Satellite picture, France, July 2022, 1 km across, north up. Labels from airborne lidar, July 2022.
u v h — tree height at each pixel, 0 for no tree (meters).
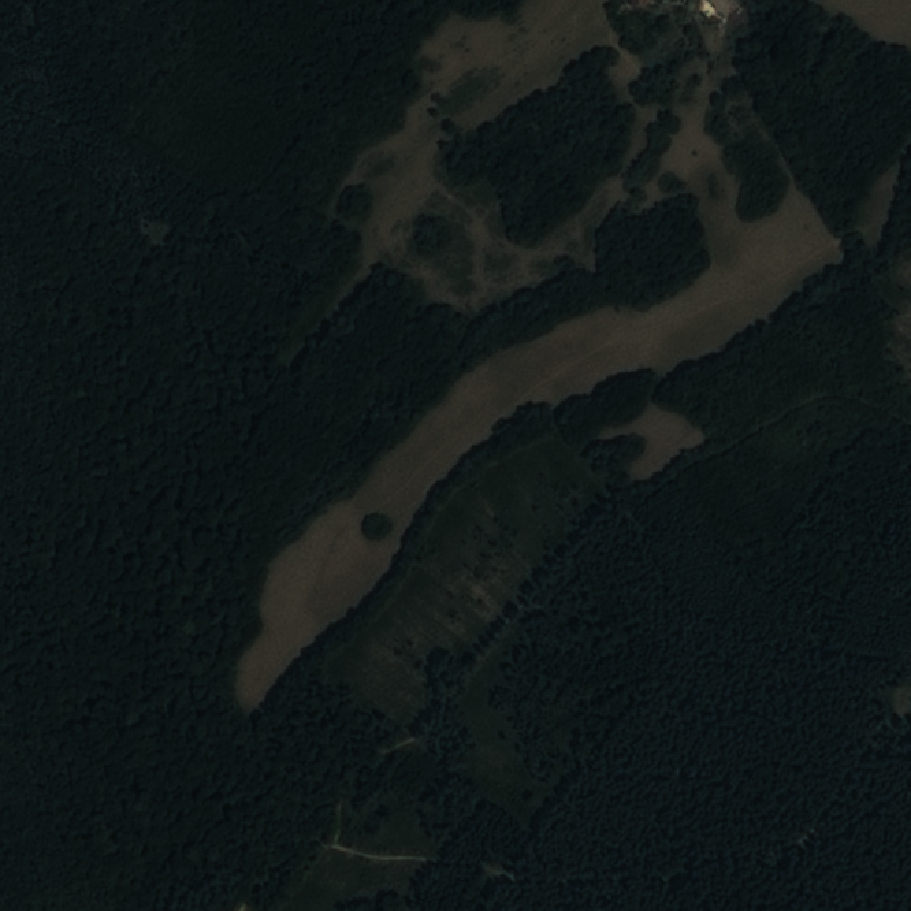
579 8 0
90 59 21
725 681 28
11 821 22
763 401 6
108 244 17
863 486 23
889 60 25
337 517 0
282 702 26
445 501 19
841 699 27
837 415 6
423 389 21
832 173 15
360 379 22
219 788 17
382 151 0
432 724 33
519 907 28
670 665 23
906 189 13
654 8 0
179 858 26
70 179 19
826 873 26
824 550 14
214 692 25
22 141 18
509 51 0
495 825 21
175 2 19
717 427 10
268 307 24
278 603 0
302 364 17
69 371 20
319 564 0
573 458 0
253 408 31
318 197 18
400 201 0
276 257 25
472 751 29
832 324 22
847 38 15
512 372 0
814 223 0
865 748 30
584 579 21
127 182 15
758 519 10
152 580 29
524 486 0
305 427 22
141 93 16
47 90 17
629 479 16
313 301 25
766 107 19
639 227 15
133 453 27
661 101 18
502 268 0
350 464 13
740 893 25
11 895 25
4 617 22
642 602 26
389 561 0
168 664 16
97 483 24
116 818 25
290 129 14
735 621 17
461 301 0
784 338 10
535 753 13
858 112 13
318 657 24
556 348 0
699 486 11
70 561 23
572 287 20
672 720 25
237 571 28
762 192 7
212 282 20
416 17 27
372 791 24
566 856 29
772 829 30
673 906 31
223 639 27
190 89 9
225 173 13
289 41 17
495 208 0
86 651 29
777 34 26
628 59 0
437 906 20
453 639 0
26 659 23
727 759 30
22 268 15
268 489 23
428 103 0
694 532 18
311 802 22
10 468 22
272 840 20
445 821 8
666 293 18
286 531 12
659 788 29
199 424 27
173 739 26
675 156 0
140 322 26
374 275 7
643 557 27
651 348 0
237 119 10
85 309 25
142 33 20
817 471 10
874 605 18
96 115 17
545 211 18
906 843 23
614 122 20
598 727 23
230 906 17
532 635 21
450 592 0
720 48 0
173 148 10
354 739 18
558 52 0
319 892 0
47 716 27
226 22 19
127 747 27
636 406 13
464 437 0
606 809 28
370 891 0
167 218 20
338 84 18
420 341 23
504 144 16
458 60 0
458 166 15
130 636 22
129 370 22
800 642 19
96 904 17
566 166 19
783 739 30
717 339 0
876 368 16
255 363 30
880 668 27
